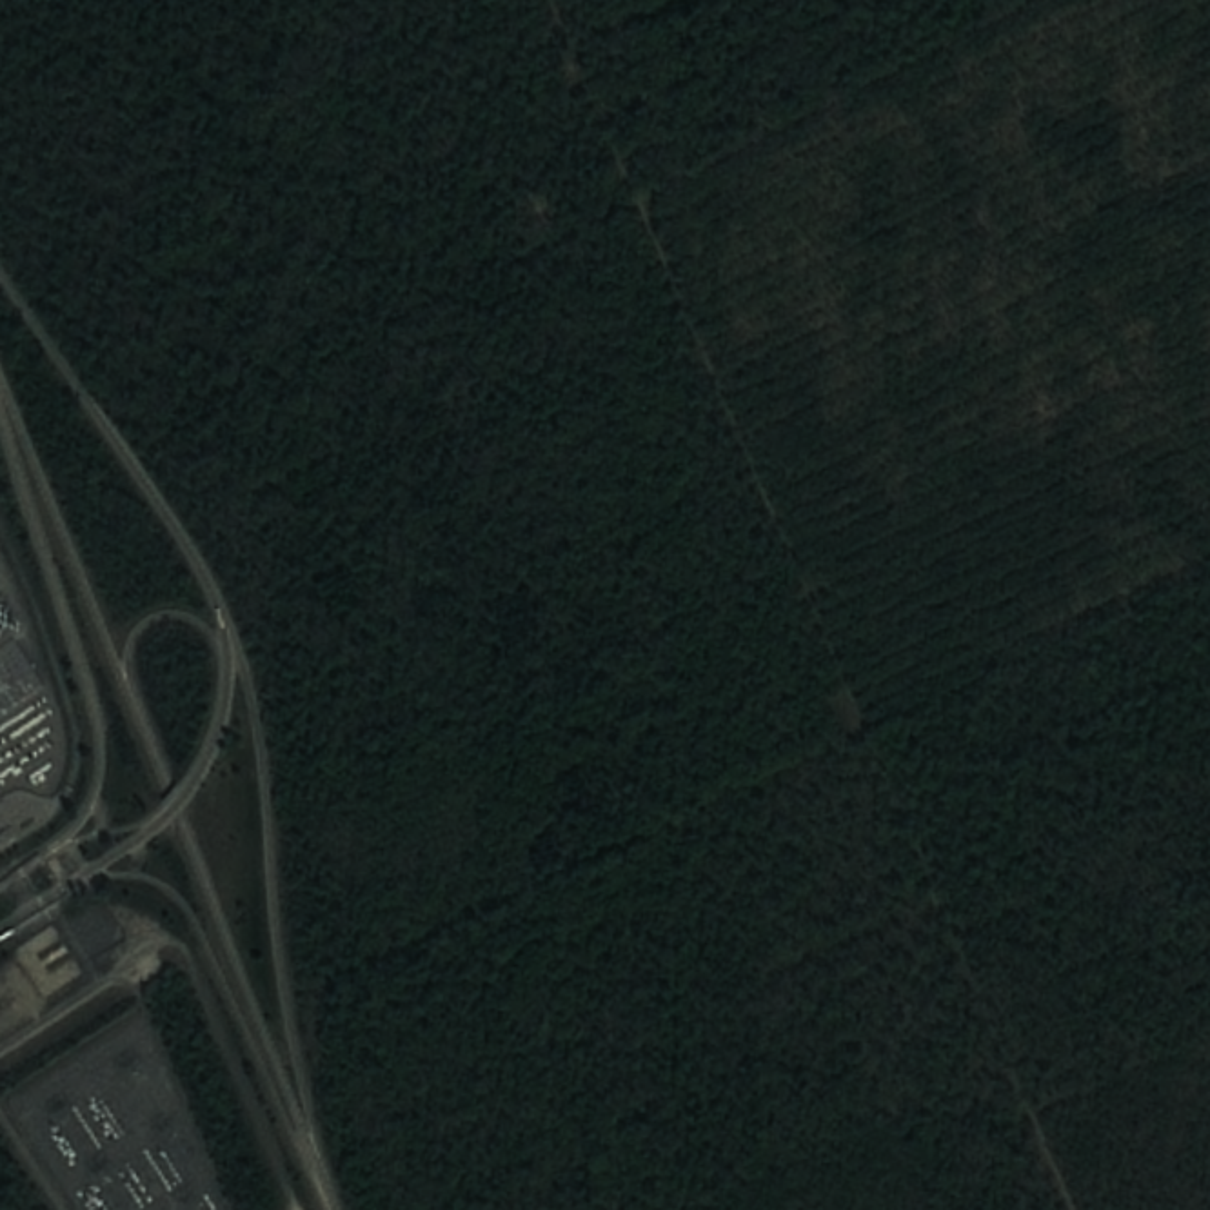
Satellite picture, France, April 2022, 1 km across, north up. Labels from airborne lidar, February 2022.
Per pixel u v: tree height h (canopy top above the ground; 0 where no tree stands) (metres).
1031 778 13
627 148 20
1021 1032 17
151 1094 0
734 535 18
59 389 10
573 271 16
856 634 11
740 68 11
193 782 0
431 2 17
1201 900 20
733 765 20
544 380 17
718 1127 17
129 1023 0
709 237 11
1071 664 13
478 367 16
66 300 14
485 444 18
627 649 14
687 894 17
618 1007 15
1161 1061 6
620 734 15
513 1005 21
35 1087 0
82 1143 0
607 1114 20
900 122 0
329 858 9
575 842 15
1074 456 8
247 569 14
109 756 0
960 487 10
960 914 14
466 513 10
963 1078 12
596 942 15
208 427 14
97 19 18
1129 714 16
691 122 21
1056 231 0
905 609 8
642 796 17
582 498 12
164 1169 0
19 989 0
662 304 20
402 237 17
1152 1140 6
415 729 15
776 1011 16
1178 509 8
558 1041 10
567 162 17
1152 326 0
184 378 12
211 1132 8
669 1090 16
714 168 9
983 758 18
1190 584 16
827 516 6
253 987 0
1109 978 16
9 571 0
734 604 17
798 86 13
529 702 13
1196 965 21
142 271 16
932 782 14
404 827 13
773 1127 16
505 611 9
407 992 19
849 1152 9
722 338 11
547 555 16
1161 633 17
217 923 0
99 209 10
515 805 18
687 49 22
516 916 17
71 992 0
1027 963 17
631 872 18
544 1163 18
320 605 15
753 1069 17
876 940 13
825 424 8
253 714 0
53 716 0
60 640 0
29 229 14
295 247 15
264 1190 8
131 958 0
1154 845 15
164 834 0
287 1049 0
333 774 8
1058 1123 10
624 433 16
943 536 9
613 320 15
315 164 16
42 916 0
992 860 17
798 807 13
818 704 18
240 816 0
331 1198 0
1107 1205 10
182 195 15
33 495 0
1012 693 16
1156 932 19
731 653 19
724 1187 15
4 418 0
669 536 16
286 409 18
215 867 0
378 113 15
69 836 0
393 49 21
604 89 15
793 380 6
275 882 0
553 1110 21
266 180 16
